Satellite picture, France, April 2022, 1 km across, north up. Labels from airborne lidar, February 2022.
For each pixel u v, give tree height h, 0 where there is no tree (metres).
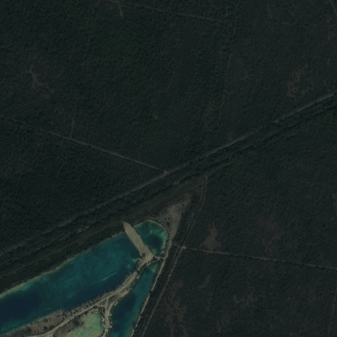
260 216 13
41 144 9
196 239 7
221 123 10
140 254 0
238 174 10
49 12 17
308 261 13
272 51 10
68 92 9
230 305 11
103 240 9
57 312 0
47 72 11
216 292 13
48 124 11
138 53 7
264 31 10
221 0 7
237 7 8
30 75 9
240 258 13
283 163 11
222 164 9
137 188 0
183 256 7
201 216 7
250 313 10
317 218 11
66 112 10
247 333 10
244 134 11
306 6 7
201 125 14
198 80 8
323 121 9
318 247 10
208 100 15
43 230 12
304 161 6
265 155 11
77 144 9
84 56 9
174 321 7
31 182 14
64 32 10
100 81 13
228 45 12
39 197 13
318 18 10
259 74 9
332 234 9
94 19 9
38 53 10
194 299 8
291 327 8
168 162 7
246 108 13
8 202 16
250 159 13
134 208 8
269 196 8
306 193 6
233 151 13
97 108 7
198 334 8
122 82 10
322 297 11
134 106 11
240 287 7
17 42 11
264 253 10
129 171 9
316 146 6
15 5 13
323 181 8
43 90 10
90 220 17
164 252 0
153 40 8
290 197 10
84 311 0
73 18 14
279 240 10
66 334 0
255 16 11
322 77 10
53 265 12
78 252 6
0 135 14
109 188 13
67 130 9
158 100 6
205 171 9
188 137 7
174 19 11
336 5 10
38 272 7
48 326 0
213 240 0
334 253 7
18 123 10
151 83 11
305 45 6
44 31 13
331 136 11
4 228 10
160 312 7
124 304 0
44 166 14
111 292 0
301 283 7
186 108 10
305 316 13
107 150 9
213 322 9
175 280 8
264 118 9
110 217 10
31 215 13
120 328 0
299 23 10
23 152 10
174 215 0
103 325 0
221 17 12
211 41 10
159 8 12
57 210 12
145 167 9
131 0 7
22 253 16
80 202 10
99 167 9
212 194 7
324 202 9
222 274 7
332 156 8
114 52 9
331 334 7
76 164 13
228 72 9
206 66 13
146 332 9
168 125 8
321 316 9
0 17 11
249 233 11
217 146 12
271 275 7
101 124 10
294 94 6
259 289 7
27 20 14
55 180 15
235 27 10
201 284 7
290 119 11
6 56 12
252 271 8
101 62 11
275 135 16
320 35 8
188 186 0
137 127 8
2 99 15
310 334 10
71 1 12
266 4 10
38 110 14
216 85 13
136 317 0
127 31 10
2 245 12
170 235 0
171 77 12
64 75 12
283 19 6
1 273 8
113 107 7
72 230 15
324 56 6
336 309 9
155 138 7
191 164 12
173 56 10
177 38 14
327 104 8
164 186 8
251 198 7
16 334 0
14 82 14
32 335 0
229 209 7
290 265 13
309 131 8
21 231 13
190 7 8
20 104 11
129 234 0
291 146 8
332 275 7
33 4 10
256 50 11
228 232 10
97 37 7
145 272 0
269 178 12
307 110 9
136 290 0
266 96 9
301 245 12
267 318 8
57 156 14
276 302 9
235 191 7
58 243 6
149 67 10
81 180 10
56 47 14
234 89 10
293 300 11
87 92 13
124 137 12
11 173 11
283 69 7
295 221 14
